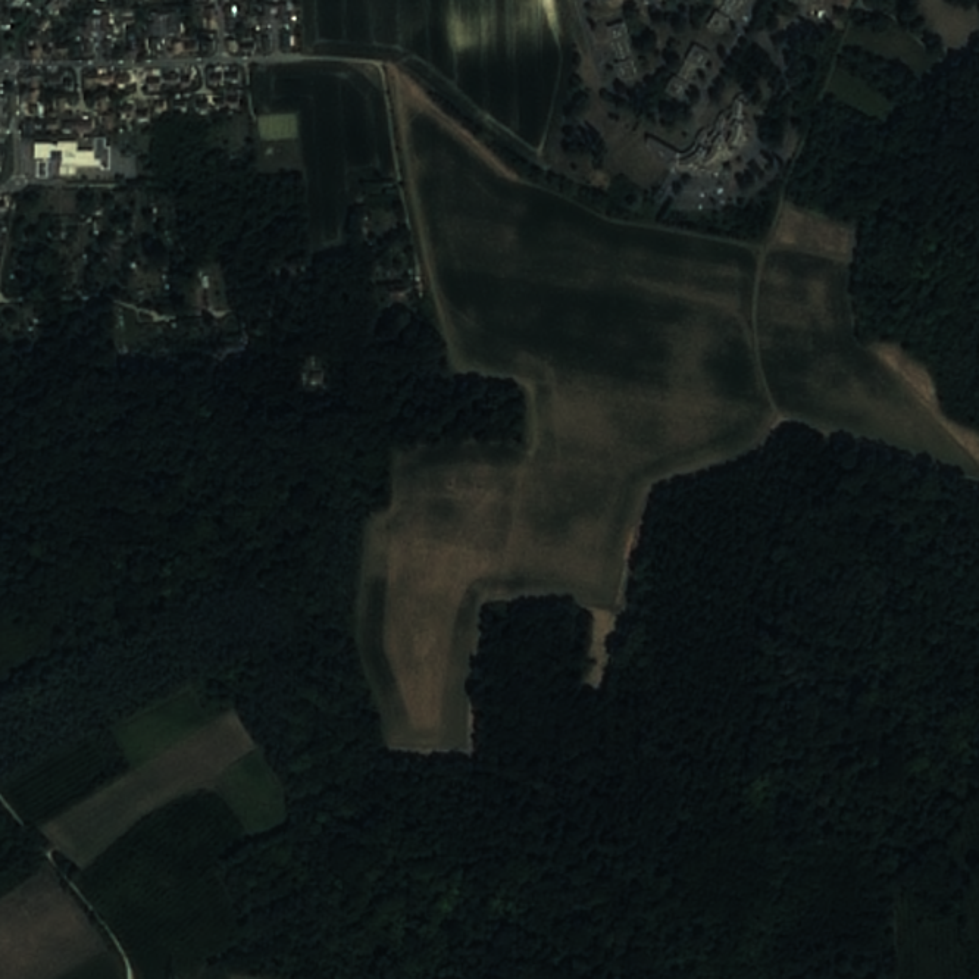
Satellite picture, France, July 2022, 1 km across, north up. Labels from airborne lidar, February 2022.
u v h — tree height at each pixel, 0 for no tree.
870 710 27
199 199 8
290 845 19
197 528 24
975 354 9
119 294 13
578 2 0
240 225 7
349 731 27
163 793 0
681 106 18
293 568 18
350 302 22
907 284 9
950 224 19
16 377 13
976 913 0
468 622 0
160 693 14
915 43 0
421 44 0
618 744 20
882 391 0
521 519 0
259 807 0
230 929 0
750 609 14
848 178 14
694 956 12
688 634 17
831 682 22
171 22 0
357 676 17
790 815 24
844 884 11
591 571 0
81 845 0
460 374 0
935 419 0
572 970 29
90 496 20
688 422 0
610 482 0
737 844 11
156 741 0
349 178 0
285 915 16
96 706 17
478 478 0
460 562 0
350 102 0
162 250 26
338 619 11
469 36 0
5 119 0
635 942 15
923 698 17
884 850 11
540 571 0
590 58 0
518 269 0
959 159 27
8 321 12
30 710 20
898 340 12
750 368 0
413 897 22
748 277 0
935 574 21
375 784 25
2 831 15
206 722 0
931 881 22
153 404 25
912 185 22
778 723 22
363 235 13
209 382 22
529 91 0
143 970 0
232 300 7
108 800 0
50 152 0
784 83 14
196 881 0
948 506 20
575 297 0
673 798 20
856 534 21
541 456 0
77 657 16
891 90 7
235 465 26
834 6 0
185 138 9
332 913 19
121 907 0
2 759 16
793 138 0
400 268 9
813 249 0
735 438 0
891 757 23
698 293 0
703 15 8
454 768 19
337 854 22
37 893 0
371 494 22
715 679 17
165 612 22
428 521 0
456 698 0
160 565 21
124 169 0
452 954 21
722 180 0
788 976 7
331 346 23
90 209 8
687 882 17
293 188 6
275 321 7
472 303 0
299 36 8
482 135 9
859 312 14
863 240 14
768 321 0
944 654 19
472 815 26
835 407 0
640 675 18
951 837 23
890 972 20
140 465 24
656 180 0
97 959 0
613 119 8
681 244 0
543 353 0
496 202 0
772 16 11
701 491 17
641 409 0
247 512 20
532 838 25
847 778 20
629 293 0
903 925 0
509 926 29
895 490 22
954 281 18
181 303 29
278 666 19
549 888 25
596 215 0
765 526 15
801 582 22
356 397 21
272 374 18
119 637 13
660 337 0
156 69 0
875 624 13
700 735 16
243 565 16
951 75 19
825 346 0
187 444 23
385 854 25
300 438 25
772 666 23
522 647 23
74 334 10
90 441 22
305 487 25
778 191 9
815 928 10
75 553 17
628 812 21
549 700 24
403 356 24
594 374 0
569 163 0
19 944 0
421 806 20
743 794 18
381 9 0
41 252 17
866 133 21
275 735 16
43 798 0
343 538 23
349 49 0
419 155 0
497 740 20
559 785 25
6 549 22
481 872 21
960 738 17
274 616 19
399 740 0
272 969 7
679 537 19
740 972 8
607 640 0
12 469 22
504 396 17
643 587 19
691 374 0
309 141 0
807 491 23
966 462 0
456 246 0
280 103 0
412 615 0
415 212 0
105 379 22
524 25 0
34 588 19
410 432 27
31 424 24
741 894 10
